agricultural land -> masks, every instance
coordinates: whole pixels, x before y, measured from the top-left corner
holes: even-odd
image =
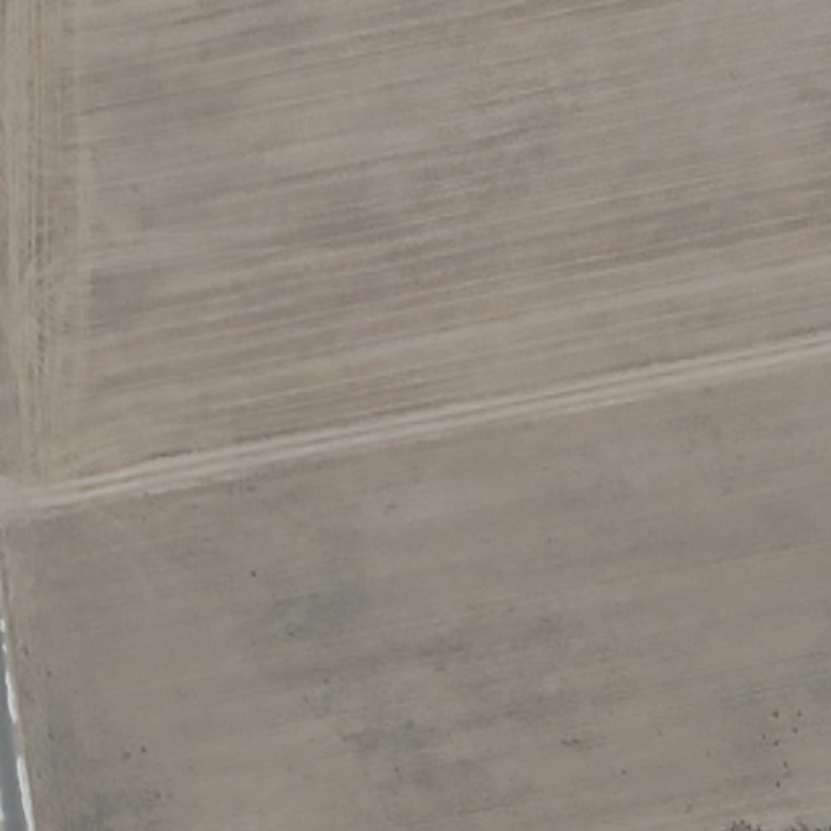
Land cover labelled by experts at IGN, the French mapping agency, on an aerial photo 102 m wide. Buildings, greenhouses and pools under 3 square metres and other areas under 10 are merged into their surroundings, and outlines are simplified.
[[[454,428],[438,438],[406,438],[386,445],[360,445],[338,454],[276,461],[253,467],[247,471],[247,477],[237,480],[201,477],[198,487],[185,490],[120,493],[88,503],[62,503],[62,516],[13,516],[0,529],[0,649],[16,760],[26,760],[36,831],[831,831],[831,360],[792,364],[782,373],[727,380],[717,386],[656,390],[649,399],[639,403],[575,416],[516,416],[471,428]]]
[[[441,409],[454,403],[532,393],[555,383],[639,370],[652,364],[678,364],[831,331],[831,0],[0,0],[0,474],[16,477],[19,484],[78,480],[162,458],[182,458],[321,428],[344,428]]]

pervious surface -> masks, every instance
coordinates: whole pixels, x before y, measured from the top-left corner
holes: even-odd
[[[36,831],[26,760],[16,760],[26,831]]]
[[[555,383],[532,393],[454,403],[441,409],[344,428],[321,428],[182,458],[162,458],[78,480],[19,484],[16,477],[0,474],[0,529],[13,516],[62,516],[62,503],[88,503],[120,493],[185,490],[198,487],[201,477],[237,480],[247,477],[247,471],[253,467],[276,461],[338,454],[360,445],[386,445],[406,438],[438,438],[454,428],[471,428],[516,416],[575,416],[639,403],[649,399],[656,390],[717,386],[727,380],[782,373],[792,364],[831,360],[831,331],[678,364],[652,364],[639,370]]]

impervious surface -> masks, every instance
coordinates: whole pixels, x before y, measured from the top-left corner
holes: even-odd
[[[0,831],[26,831],[16,760],[0,649]]]

